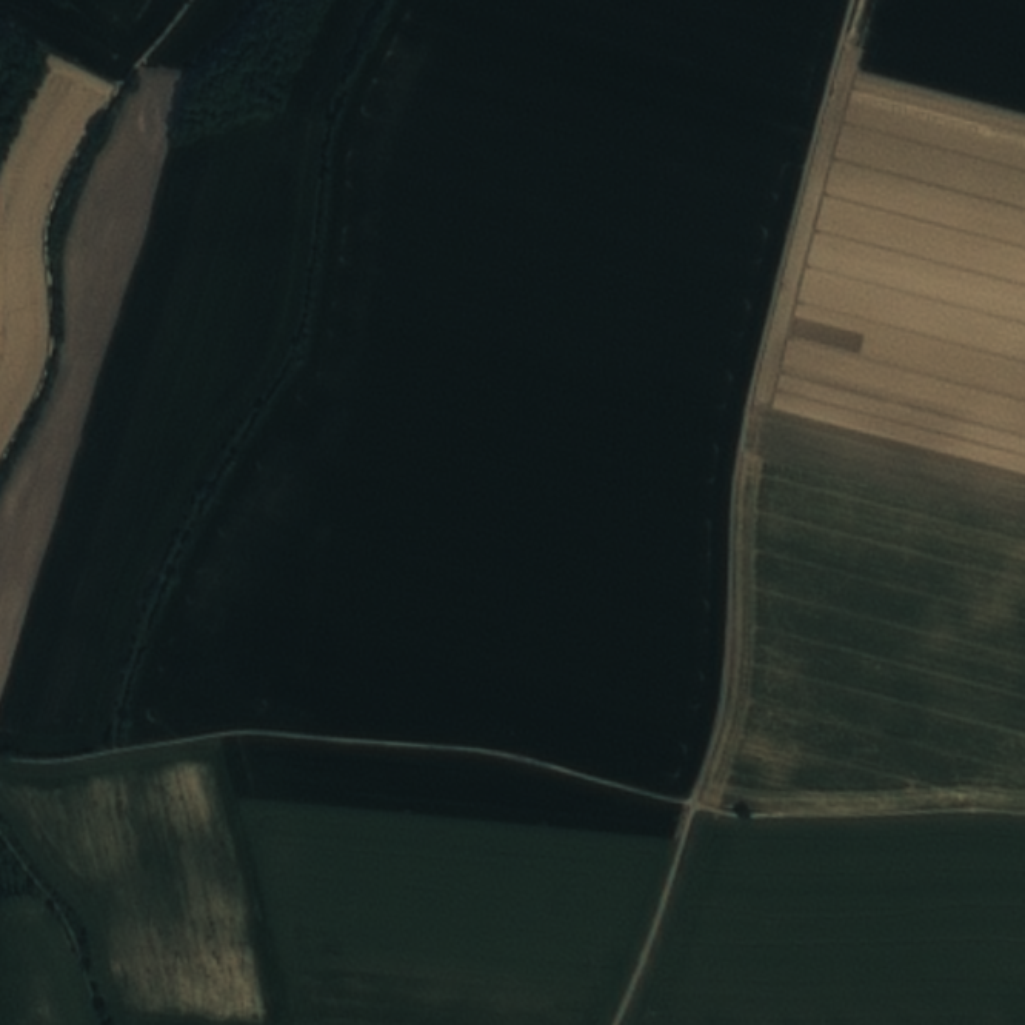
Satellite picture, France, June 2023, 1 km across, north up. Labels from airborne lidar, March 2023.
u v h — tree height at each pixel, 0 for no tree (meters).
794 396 0
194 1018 0
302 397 0
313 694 0
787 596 0
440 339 0
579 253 0
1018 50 0
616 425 0
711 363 0
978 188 0
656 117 0
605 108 0
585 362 0
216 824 0
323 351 0
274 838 0
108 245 0
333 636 0
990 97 0
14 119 15
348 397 0
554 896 0
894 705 0
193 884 0
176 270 0
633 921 0
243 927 0
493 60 0
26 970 0
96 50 0
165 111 0
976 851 0
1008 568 0
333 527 0
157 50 0
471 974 0
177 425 0
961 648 0
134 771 0
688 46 0
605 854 0
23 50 18
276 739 0
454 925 0
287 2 24
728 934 0
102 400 0
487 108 0
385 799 0
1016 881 0
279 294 0
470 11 0
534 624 0
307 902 0
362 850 0
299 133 0
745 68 0
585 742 0
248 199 0
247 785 0
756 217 0
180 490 0
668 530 0
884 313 0
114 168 0
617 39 0
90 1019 0
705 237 0
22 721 0
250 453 0
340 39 0
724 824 0
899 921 0
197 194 0
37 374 0
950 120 0
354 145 0
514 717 0
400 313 0
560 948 0
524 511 0
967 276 0
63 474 0
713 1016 0
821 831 0
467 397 0
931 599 0
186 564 0
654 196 0
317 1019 0
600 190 0
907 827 0
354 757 0
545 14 0
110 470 0
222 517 0
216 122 15
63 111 0
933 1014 0
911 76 0
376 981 0
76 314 0
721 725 0
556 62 0
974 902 0
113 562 0
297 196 0
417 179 0
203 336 0
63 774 0
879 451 0
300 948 0
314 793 0
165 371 0
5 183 0
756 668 0
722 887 0
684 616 0
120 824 0
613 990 0
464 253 0
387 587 0
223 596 0
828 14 0
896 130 0
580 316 0
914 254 0
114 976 0
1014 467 0
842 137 0
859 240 0
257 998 0
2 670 0
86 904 0
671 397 0
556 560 0
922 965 0
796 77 0
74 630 0
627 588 0
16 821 0
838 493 0
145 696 0
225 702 0
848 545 0
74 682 0
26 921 0
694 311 0
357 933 0
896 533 0
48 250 9
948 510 0
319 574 0
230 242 0
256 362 0
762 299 0
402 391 0
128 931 0
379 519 0
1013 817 0
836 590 0
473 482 0
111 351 0
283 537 0
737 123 0
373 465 0
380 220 0
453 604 0
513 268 0
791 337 0
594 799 0
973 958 0
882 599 0
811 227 0
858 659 0
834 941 0
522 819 0
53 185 0
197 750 0
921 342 0
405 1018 0
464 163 0
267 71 21
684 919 0
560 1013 0
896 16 0
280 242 0
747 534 0
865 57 0
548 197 0
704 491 0
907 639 0
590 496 0
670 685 0
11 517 0
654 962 0
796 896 0
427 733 0
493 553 0
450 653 0
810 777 0
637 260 0
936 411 0
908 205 0
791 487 0
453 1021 0
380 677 0
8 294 0
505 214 0
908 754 0
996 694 0
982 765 0
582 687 0
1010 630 0
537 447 0
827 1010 0
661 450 0
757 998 0
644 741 0
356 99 0
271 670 0
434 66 0
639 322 0
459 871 0
